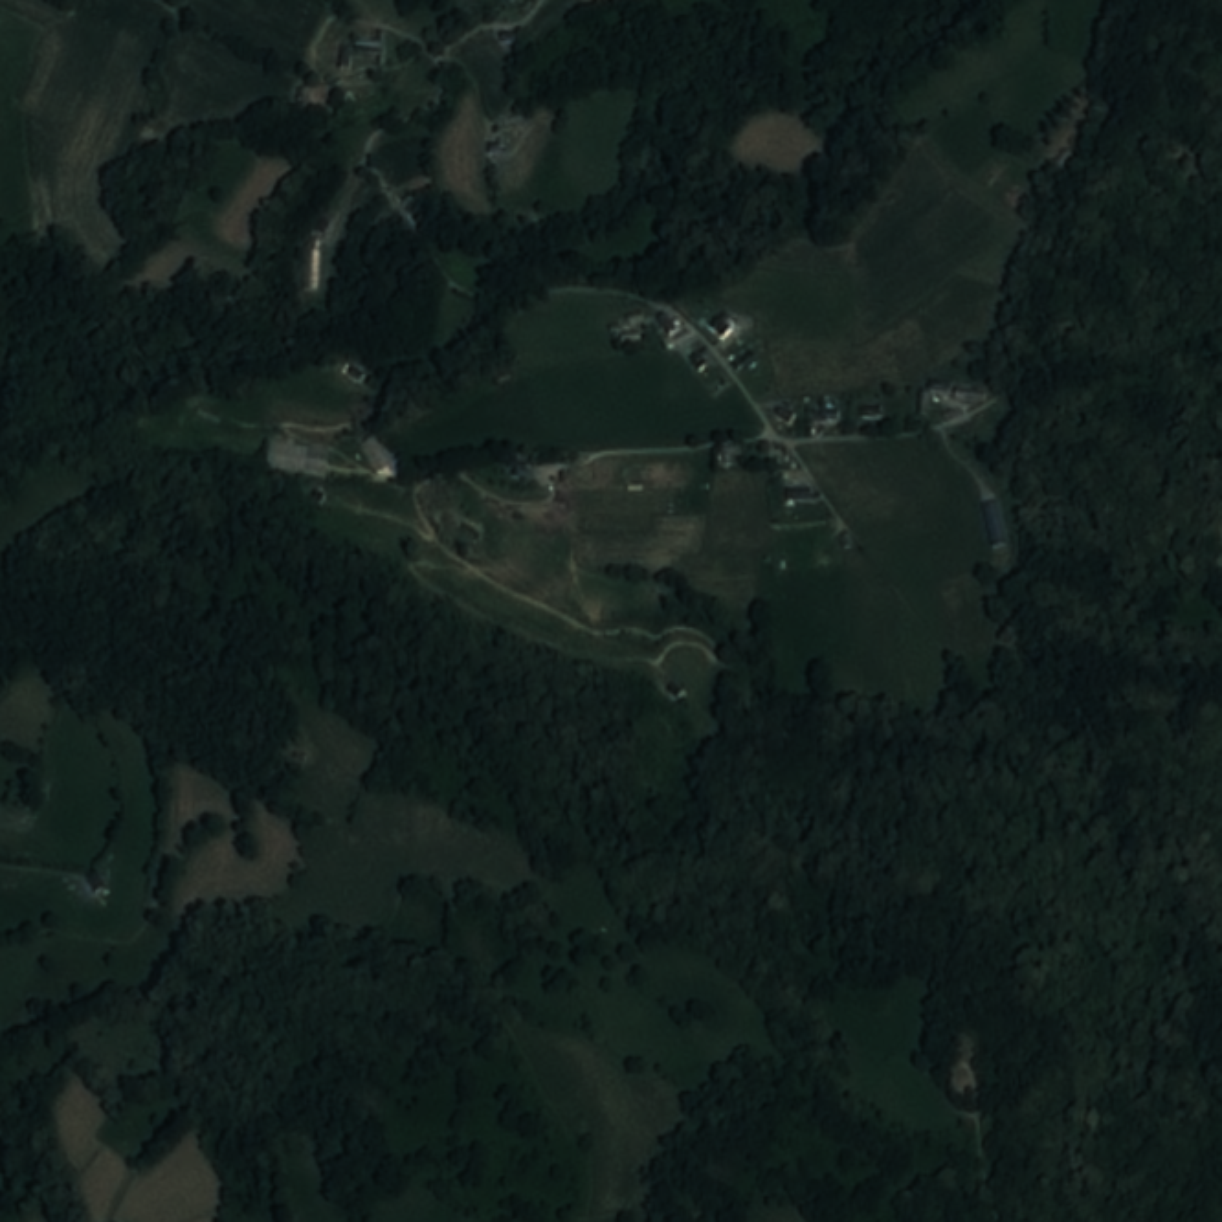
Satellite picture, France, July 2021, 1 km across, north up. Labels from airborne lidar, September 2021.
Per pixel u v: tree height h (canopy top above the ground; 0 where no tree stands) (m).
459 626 24
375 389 10
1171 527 20
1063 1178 11
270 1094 17
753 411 0
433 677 8
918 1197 18
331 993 20
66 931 0
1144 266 17
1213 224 23
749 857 22
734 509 0
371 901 0
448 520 0
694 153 25
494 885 0
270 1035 15
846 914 16
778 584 0
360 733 11
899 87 24
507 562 0
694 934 10
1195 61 16
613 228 18
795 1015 21
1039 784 22
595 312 0
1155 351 14
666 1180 12
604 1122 0
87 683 14
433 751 7
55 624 17
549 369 0
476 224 21
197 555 23
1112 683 24
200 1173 0
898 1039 0
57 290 27
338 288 19
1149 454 21
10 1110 16
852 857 25
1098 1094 25
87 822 0
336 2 9
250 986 21
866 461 0
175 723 16
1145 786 15
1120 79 22
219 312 13
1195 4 17
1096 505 21
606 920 0
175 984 24
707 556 0
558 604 0
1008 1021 13
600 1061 0
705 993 0
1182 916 24
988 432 0
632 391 0
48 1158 21
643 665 0
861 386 0
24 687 0
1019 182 0
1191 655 21
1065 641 18
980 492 0
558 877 17
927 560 0
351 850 0
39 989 0
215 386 19
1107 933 22
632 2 19
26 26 0
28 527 0
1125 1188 20
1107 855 26
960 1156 13
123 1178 0
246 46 15
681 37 23
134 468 22
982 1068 11
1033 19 0
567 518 0
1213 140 16
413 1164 14
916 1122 0
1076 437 19
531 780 14
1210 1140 15
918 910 21
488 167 6
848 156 28
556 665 24
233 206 0
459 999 18
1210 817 18
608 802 10
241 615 16
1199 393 18
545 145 0
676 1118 0
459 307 0
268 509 17
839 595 0
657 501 0
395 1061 15
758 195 23
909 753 26
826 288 0
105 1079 24
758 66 31
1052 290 17
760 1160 15
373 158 12
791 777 21
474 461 17
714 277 16
